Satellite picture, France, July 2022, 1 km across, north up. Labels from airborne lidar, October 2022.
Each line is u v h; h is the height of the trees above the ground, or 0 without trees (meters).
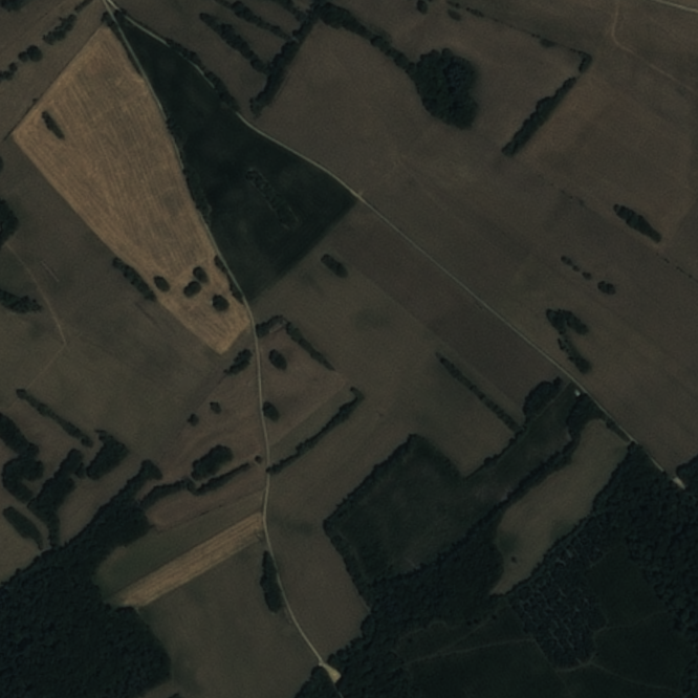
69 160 0
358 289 0
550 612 14
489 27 0
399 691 20
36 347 0
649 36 0
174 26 0
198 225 0
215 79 12
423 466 0
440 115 8
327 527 12
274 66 16
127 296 0
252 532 0
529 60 0
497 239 0
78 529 0
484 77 0
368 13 0
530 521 0
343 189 0
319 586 0
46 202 0
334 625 0
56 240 0
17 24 0
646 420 0
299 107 0
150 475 12
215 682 0
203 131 0
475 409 0
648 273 0
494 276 0
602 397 0
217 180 0
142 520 15
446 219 0
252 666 0
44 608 16
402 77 0
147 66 0
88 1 7
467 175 0
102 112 0
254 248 0
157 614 0
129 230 0
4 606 21
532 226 0
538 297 0
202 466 17
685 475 18
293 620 0
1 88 0
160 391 0
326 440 0
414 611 18
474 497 0
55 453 0
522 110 0
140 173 0
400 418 0
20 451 12
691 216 0
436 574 14
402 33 0
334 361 0
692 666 6
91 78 0
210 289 0
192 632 0
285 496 0
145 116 0
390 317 0
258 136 0
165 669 17
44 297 0
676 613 8
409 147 0
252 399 0
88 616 20
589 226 0
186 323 0
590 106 0
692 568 18
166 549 0
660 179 0
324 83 0
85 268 0
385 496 0
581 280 0
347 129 0
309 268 0
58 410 0
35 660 17
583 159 0
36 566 9
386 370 0
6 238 11
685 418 0
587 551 10
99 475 13
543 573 14
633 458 16
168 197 0
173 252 0
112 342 0
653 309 0
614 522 23
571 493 0
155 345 0
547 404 18
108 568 0
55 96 0
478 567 22
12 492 16
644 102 0
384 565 7
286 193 0
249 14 15
